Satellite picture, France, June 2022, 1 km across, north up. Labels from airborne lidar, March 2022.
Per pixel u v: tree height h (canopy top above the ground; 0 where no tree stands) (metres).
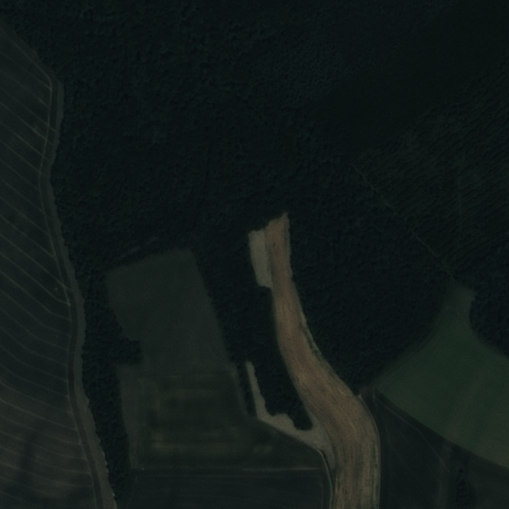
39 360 0
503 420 0
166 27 23
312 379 0
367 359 16
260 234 0
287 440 0
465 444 0
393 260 17
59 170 23
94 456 0
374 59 14
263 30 0
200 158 0
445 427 0
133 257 19
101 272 18
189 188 0
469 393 0
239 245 17
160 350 0
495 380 0
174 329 0
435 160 0
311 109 0
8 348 0
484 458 0
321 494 0
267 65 15
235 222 21
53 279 0
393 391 0
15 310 0
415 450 0
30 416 0
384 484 0
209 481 0
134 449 0
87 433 0
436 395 0
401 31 16
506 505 0
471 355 0
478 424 0
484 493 0
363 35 18
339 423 0
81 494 0
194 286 0
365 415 0
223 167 0
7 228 0
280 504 0
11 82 0
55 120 0
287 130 21
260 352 19
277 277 0
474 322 14
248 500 0
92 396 19
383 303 18
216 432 0
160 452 0
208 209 17
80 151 25
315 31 20
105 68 24
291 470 0
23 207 0
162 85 25
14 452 0
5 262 0
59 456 0
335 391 0
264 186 21
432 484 0
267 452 0
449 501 0
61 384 0
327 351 16
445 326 0
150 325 0
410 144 0
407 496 0
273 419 0
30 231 0
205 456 0
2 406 0
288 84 14
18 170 0
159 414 0
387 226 18
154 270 0
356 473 0
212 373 0
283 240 0
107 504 0
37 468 0
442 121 0
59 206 18
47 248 0
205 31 0
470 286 16
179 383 0
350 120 0
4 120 0
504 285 21
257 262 0
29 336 0
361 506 0
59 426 0
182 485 0
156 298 0
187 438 0
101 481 0
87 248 22
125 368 0
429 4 22
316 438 0
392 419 0
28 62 0
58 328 0
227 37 0
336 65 20
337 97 0
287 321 0
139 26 23
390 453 0
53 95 0
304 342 0
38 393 0
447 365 0
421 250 22
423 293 20
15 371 0
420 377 0
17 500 0
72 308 0
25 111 0
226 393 0
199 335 0
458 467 0
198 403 0
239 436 0
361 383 17
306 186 20
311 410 0
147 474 0
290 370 0
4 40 0
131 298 0
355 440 0
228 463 0
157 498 0
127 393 0
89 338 17
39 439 0
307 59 15
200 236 18
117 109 29
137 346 10
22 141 0
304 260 0
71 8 20
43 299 0
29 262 0
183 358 0
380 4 17
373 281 17
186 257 0
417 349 0
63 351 0
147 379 0
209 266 14
